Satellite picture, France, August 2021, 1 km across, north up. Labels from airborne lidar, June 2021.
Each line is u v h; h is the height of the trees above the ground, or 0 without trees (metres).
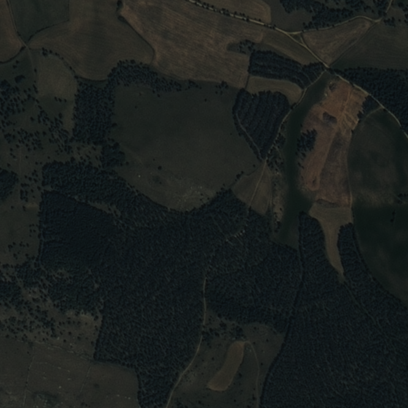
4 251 0
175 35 0
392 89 7
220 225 12
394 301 16
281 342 0
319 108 0
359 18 0
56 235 16
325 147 0
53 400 0
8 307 9
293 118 0
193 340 12
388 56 0
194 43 0
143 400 8
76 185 14
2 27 0
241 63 0
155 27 0
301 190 0
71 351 0
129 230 16
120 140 0
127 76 10
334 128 0
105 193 8
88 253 15
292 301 11
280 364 13
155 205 12
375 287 10
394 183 0
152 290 13
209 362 0
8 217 0
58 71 0
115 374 0
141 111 0
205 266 10
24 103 9
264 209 0
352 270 9
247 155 0
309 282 14
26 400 0
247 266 15
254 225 11
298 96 0
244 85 0
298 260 15
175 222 18
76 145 0
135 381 0
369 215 0
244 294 10
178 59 0
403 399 14
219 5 0
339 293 14
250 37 0
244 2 0
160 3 0
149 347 15
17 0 0
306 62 0
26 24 0
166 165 0
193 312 13
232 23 0
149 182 0
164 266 14
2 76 0
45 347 0
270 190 0
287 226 0
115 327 14
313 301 17
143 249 13
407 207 0
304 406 16
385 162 0
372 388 16
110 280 14
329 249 0
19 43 0
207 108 0
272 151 9
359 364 15
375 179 0
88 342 0
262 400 15
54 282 10
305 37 0
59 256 13
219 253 15
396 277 0
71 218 18
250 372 0
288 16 0
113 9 0
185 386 0
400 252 0
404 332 18
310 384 16
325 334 16
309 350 11
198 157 0
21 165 0
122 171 0
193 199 0
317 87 0
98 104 18
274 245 14
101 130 9
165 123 0
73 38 0
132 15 0
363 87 17
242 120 14
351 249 16
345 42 0
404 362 15
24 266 10
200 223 14
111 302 12
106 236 14
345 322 14
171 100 0
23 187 8
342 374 12
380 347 11
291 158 0
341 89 0
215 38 0
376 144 0
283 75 11
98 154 0
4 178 16
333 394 16
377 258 0
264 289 15
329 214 0
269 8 0
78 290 9
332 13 16
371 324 13
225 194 11
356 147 0
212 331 14
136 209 13
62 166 16
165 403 9
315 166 0
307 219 10
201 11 0
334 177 0
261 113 15
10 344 0
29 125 0
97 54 0
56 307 9
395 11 0
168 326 13
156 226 13
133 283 13
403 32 0
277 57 11
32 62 0
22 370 0
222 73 0
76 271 9
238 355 0
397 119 9
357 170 0
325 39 0
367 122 0
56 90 0
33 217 0
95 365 0
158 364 12
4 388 0
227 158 0
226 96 0
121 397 0
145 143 0
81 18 0
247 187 0
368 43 0
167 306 13
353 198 0
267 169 0
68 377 0
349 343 13
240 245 14
